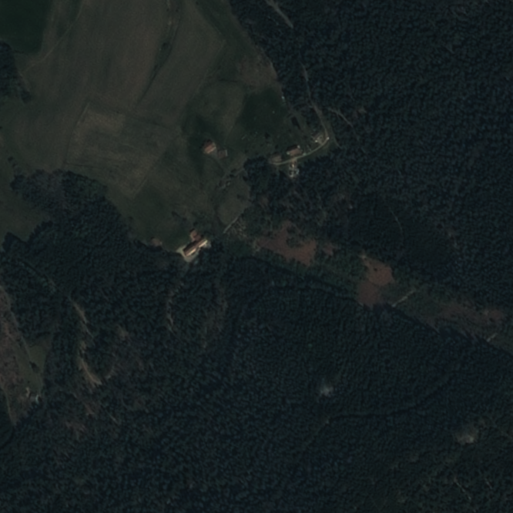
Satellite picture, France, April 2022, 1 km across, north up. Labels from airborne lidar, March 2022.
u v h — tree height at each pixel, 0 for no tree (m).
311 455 14
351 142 13
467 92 20
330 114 21
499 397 15
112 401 8
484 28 25
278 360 17
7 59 25
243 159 0
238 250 6
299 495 22
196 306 22
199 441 26
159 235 0
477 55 26
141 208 0
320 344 18
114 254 28
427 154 26
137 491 26
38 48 0
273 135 0
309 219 31
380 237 14
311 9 8
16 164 8
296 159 0
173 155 0
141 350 30
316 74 9
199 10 0
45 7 0
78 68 0
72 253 22
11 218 0
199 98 0
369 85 31
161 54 0
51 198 25
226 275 10
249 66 0
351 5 15
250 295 14
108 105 0
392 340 23
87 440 21
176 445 21
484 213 20
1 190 0
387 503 12
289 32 14
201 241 0
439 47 32
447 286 21
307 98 11
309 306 23
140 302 28
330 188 7
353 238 16
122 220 21
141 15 0
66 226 27
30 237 0
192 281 20
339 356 25
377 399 17
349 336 24
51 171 0
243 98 0
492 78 29
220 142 0
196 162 0
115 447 20
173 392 10
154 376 25
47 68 0
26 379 0
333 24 10
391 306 0
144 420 27
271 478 24
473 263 27
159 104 0
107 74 0
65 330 13
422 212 26
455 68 28
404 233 11
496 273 26
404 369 24
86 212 17
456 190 25
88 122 0
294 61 14
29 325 16
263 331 23
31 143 0
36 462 13
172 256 9
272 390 23
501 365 17
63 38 0
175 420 30
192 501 18
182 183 0
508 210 16
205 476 29
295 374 21
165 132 0
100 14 0
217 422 7
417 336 21
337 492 16
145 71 0
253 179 17
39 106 0
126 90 0
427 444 19
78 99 0
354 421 16
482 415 15
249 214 8
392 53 29
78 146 0
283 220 9
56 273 17
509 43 20
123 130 0
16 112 0
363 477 19
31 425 20
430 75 24
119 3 0
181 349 33
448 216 22
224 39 0
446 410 21
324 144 0
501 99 23
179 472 10
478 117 27
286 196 18
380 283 0
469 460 10
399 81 21
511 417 11
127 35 0
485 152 18
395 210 8
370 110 7
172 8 0
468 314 0
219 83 0
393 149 23
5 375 0
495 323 6
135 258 29
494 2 18
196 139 0
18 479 6
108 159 0
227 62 0
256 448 23
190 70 0
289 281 20
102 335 7
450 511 15
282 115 0
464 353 21
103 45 0
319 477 25
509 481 7
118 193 0
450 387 13
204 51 0
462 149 21
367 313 19
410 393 21
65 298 16
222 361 12
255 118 0
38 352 0
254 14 9
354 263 11
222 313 20
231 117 0
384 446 18
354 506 16
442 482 25
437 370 18
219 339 5
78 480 24
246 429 27
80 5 0
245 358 26
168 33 0
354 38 36
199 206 0
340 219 7
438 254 11
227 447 31
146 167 0
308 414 24
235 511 22
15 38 0
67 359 17
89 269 21
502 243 14
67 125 0
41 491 29
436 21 30
